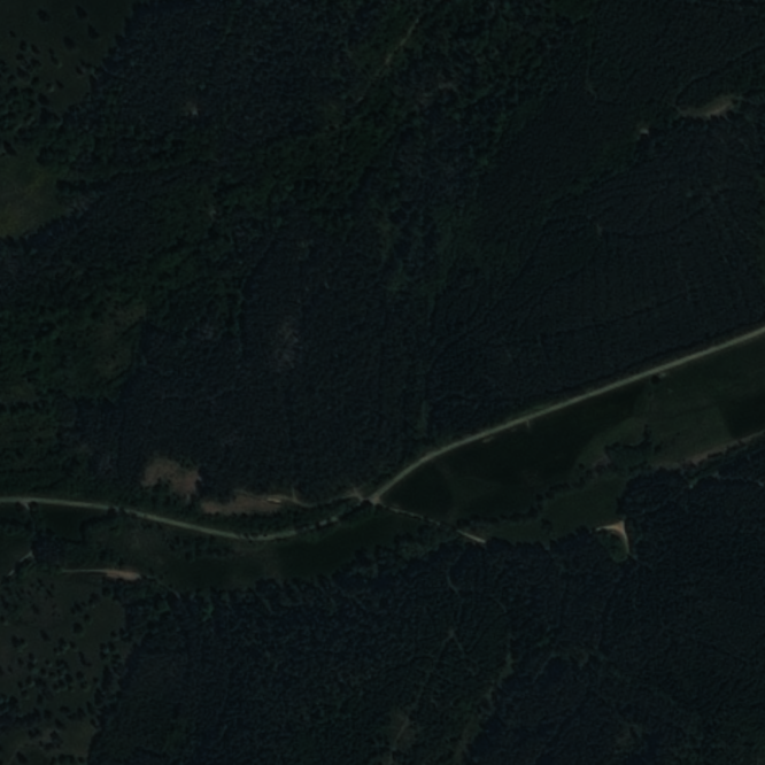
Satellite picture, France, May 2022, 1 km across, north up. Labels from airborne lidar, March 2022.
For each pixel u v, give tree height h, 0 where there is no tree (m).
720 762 8
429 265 24
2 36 0
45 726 0
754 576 20
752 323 23
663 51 15
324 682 32
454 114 27
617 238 20
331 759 15
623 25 9
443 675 11
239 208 30
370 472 31
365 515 17
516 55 15
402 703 12
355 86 33
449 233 18
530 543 0
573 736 31
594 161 13
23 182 0
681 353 22
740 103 10
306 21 21
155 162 28
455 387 18
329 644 33
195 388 28
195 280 11
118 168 26
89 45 0
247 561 0
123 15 0
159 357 27
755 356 0
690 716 25
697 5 16
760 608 20
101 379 6
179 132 27
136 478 25
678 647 21
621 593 25
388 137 9
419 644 13
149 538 0
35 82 10
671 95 13
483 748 28
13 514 0
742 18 13
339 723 16
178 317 20
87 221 28
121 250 26
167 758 17
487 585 24
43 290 15
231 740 28
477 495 0
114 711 21
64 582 0
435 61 42
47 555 28
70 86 0
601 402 0
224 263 28
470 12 18
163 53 31
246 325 22
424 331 23
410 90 40
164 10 27
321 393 25
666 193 19
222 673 32
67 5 0
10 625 0
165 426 20
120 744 9
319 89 34
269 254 22
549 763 35
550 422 0
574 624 32
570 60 13
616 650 28
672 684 24
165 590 8
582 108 15
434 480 0
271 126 32
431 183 19
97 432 30
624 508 20
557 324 20
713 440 0
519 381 21
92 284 15
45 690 14
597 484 0
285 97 31
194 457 22
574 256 18
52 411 21
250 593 9
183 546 11
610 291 21
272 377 26
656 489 24
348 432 30
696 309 23
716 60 10
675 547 21
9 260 22
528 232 19
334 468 27
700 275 23
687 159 18
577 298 19
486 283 16
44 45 0
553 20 17
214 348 27
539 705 36
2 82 9
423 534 15
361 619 35
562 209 17
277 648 31
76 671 0
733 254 23
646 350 22
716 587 17
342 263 29
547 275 17
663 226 18
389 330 29
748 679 15
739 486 20
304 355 30
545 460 0
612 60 8
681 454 0
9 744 0
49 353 11
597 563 31
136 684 22
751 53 10
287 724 7
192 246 11
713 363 0
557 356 21
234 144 31
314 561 0
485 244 16
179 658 33
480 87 32
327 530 12
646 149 19
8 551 0
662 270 22
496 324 20
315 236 22
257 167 29
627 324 19
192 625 26
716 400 0
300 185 21
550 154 15
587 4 12
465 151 26
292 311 22
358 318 29
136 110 29
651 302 20
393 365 29
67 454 15
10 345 11
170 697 28
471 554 17
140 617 17
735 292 23
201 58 30
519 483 0
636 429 0
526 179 15
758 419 0
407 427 24
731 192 21
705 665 20
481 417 23
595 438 0
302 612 14
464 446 0
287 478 26
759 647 14
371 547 0
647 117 13
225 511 0
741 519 23
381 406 24
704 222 22
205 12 30
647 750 5
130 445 21
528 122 13
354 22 7
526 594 14
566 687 33
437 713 14
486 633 12
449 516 0
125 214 28
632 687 22
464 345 20
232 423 26
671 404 0
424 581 22
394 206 23
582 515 0
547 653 31
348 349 28
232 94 29
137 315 0
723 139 21
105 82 22
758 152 27
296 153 30
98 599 12
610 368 21
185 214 17
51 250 22
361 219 28
